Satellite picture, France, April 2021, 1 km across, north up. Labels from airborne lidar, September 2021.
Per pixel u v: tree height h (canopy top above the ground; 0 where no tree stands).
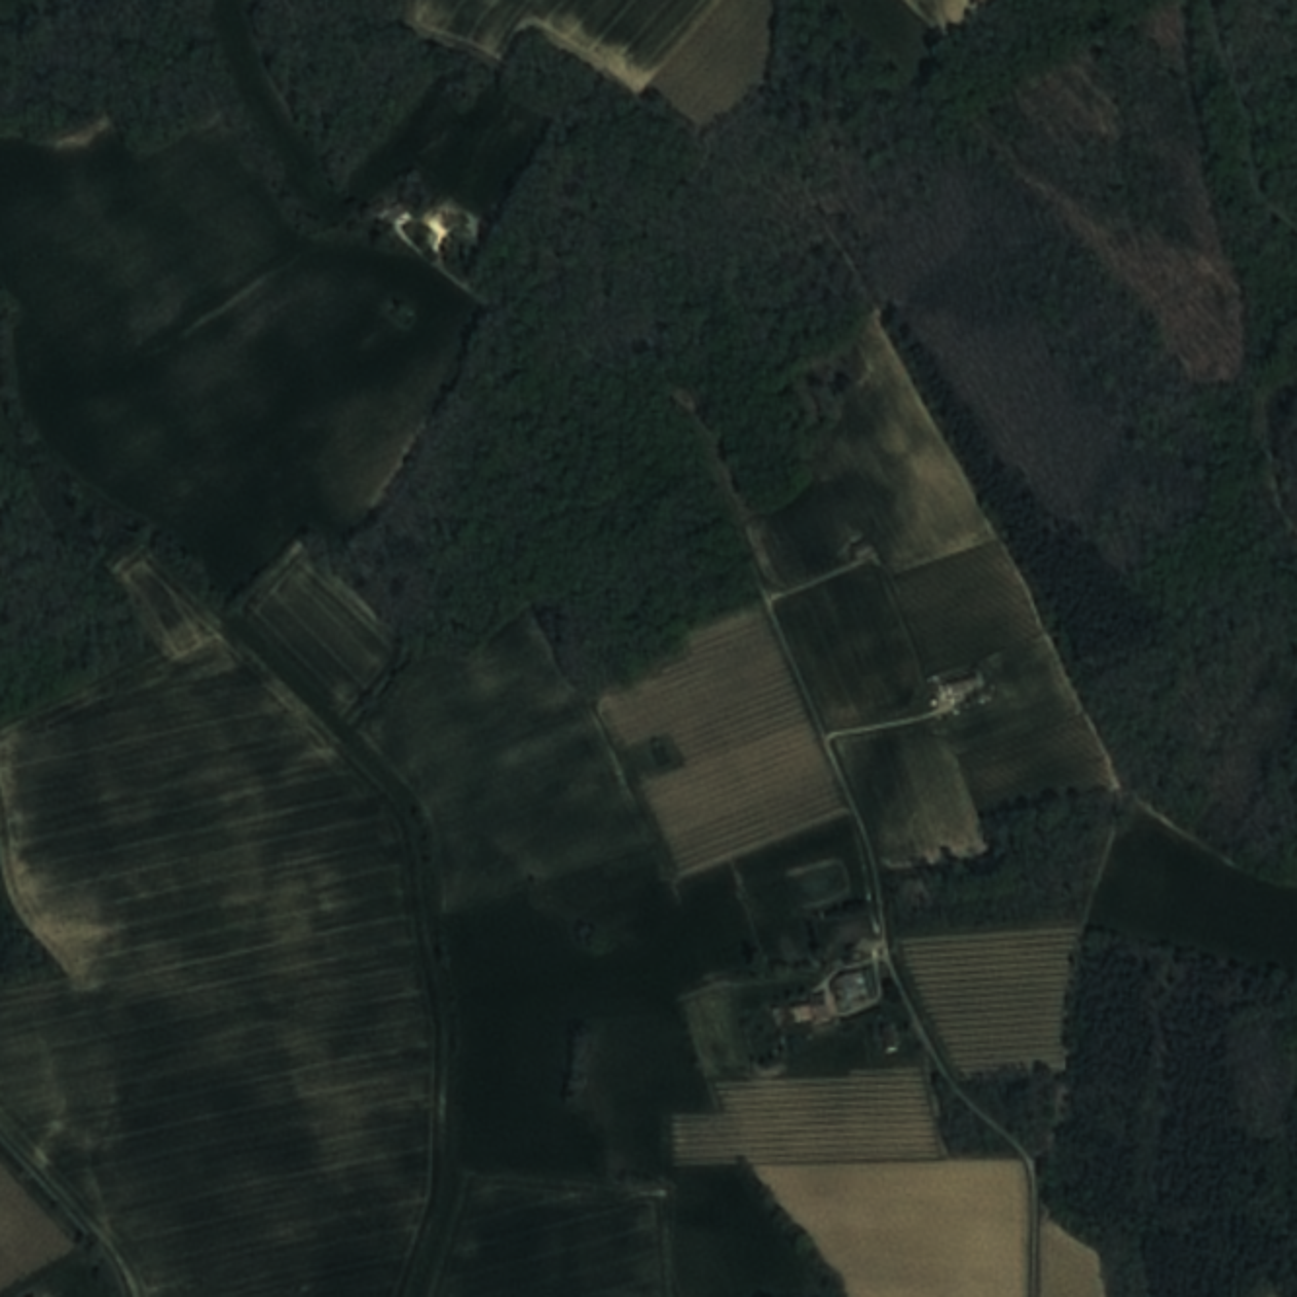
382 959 0
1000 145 21
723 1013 0
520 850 0
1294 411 12
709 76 0
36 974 18
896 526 0
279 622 0
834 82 17
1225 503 19
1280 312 17
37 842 0
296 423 0
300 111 18
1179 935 0
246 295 0
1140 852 0
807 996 7
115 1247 0
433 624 24
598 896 0
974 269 13
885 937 0
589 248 25
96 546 18
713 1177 0
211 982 0
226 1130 0
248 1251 0
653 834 0
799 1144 0
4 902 7
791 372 18
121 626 18
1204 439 14
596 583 20
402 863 0
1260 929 0
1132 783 16
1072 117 23
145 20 19
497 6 0
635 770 0
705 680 0
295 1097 0
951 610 0
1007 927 11
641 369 21
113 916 0
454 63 17
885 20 0
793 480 23
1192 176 22
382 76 19
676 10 0
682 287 21
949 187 17
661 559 20
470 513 24
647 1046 0
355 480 0
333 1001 0
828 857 0
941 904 19
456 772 0
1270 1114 14
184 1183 0
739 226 18
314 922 0
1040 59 24
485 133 0
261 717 0
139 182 0
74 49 19
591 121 20
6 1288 0
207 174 0
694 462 20
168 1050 0
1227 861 8
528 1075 0
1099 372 16
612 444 20
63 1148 0
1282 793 22
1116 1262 13
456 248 11
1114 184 22
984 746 0
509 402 21
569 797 0
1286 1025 17
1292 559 14
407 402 0
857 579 0
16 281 0
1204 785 18
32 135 19
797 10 21
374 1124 0
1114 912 0
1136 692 18
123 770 0
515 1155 0
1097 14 23
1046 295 14
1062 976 0
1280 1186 17
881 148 17
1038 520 21
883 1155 0
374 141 16
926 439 0
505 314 18
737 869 0
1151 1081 16
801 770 0
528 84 18
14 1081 0
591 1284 0
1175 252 25
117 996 0
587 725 0
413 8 0
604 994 0
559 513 25
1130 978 15
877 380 0
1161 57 20
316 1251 0
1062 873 19
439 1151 0
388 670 0
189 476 0
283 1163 0
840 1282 11
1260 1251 16
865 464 0
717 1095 0
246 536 0
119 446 0
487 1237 0
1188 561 15
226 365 0
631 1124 0
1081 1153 16
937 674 0
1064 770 0
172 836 0
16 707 15
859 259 8
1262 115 21
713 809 0
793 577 0
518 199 20
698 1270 0
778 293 19
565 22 0
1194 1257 17
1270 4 17
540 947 0
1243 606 22
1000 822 15
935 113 19
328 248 0
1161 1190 16
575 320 22
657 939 0
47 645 20
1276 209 19
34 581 16
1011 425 13
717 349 23
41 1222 0
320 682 0
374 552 18
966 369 17
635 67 0
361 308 0
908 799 0
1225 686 14
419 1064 0
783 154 17
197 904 0
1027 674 0
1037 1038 0
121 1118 0
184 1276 0
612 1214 0
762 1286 0
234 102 18
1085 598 18
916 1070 0
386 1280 0
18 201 0
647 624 20
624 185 19
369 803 0
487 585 26
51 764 0
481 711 0
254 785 0
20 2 0
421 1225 0
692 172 15
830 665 0
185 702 0
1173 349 22
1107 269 20
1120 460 16
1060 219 21
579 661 18
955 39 14
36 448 6
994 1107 14
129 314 0
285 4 17
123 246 0
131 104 19
